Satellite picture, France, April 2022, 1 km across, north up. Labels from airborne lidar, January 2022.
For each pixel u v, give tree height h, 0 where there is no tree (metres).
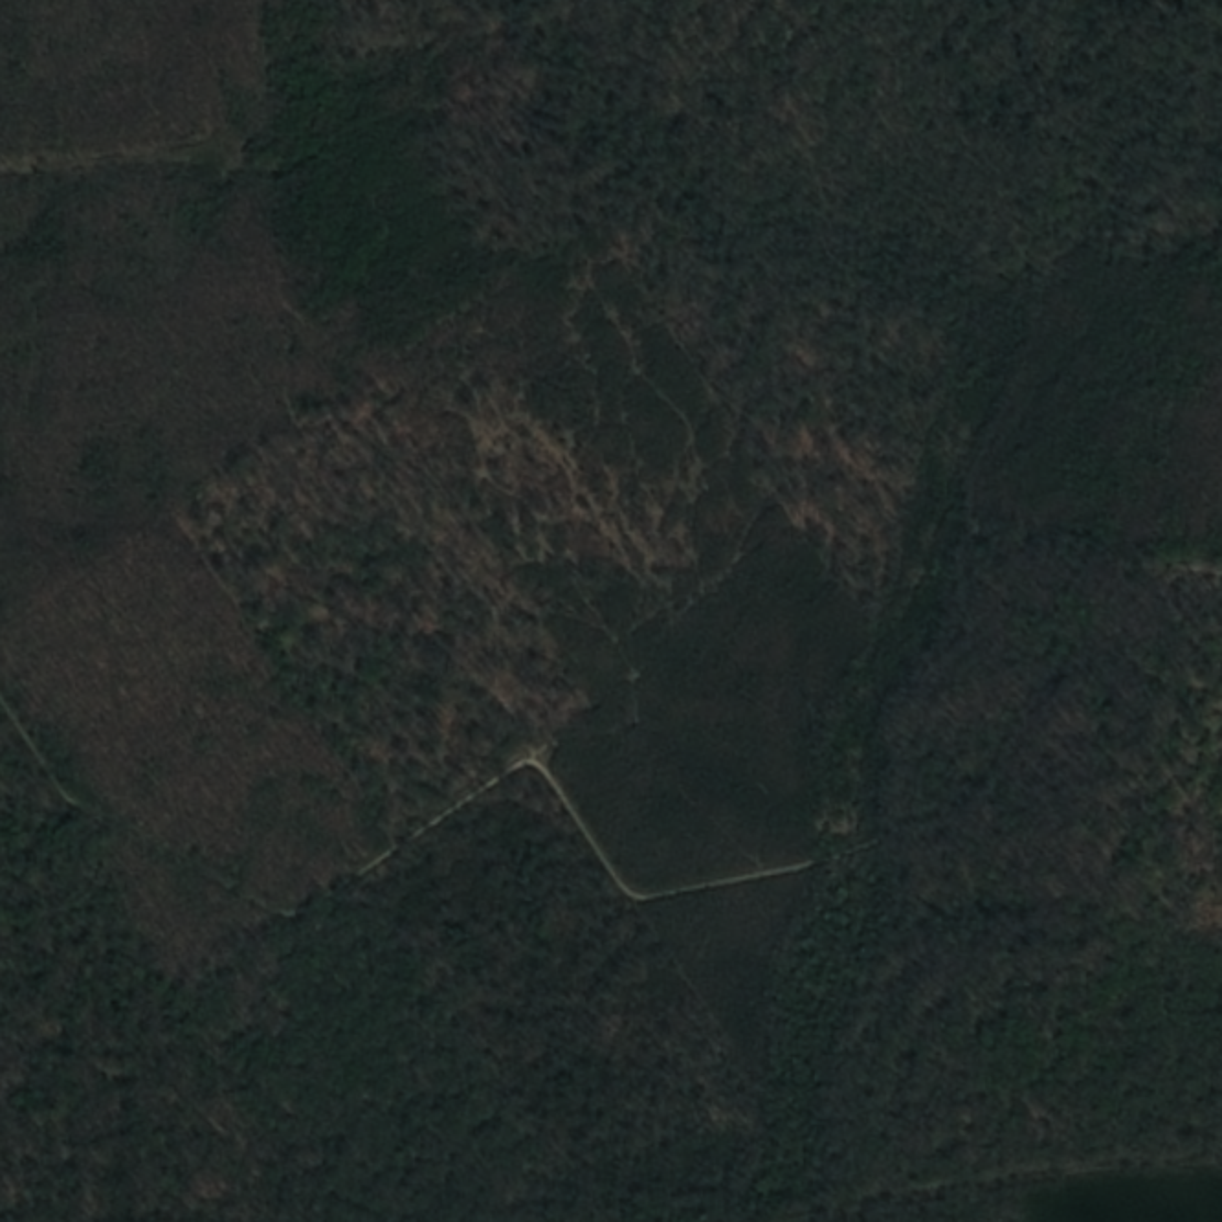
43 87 12
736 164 25
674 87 21
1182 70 25
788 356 26
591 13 27
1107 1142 23
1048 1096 26
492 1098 23
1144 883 29
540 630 25
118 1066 27
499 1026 25
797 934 21
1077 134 26
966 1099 16
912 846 22
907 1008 18
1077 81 27
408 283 7
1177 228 28
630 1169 19
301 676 18
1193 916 27
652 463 6
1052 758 29
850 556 26
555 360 8
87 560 16
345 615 0
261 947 26
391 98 13
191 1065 26
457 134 29
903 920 23
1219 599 32
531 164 28
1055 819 27
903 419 26
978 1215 21
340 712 24
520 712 0
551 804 26
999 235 25
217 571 15
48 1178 26
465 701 27
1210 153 23
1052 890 29
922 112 19
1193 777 33
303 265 16
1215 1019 22
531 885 24
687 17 24
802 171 22
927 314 25
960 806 22
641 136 30
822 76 24
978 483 13
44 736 16
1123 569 24
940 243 27
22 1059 27
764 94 24
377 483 26
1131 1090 23
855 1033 18
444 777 25
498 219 27
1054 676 29
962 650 23
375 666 24
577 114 27
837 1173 24
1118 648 28
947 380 23
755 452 26
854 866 7
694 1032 25
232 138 0
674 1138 21
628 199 21
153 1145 27
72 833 24
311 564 28
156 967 23
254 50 9
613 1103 25
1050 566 32
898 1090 19
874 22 21
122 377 14
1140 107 25
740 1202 22
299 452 25
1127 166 25
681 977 22
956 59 26
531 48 24
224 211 12
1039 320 17
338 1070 23
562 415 6
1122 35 24
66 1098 28
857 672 14
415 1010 22
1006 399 14
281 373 13
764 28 24
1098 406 10
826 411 24
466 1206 24
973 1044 20
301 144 11
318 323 13
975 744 22
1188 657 34
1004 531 27
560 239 26
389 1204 23
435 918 6
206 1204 24
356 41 26
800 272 26
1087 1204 0
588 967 24
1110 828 32
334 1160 27
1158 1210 0
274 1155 22
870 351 26
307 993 23
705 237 25
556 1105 23
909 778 23
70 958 23
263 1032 26
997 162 20
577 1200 21
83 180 12
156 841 17
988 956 27
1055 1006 23
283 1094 24
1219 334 13
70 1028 24
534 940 23
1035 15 25
